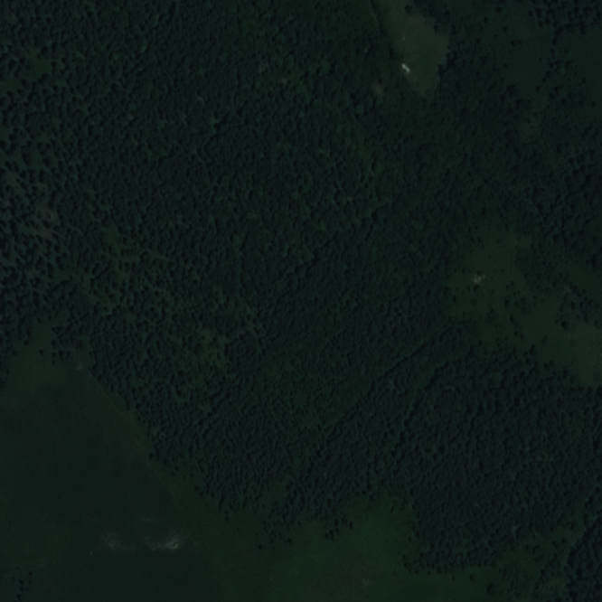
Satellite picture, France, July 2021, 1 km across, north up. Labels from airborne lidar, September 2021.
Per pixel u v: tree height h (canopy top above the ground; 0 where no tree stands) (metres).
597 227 7
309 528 0
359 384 18
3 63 24
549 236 23
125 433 0
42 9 26
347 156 29
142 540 0
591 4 12
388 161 22
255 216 24
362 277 8
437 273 13
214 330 13
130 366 15
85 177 25
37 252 29
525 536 22
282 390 10
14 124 21
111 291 12
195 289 12
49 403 0
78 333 16
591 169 12
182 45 28
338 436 18
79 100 26
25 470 0
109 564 0
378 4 17
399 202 25
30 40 23
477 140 9
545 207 23
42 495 0
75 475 0
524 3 14
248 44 27
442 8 7
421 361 24
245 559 0
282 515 7
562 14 18
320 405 13
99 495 0
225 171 24
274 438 16
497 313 10
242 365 25
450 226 20
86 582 0
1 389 12
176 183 24
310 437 15
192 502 0
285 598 0
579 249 23
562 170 6
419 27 0
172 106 26
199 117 31
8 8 23
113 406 0
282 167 22
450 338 32
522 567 6
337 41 13
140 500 0
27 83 24
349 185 24
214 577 0
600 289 0
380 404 19
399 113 9
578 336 0
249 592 0
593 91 0
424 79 0
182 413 24
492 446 26
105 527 0
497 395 26
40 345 0
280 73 25
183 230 22
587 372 0
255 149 25
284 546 0
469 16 6
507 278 0
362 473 25
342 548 0
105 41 23
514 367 16
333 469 22
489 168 22
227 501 17
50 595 0
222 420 22
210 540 0
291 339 12
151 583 0
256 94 22
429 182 18
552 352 0
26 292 26
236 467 13
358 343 15
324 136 25
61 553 0
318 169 25
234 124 26
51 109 24
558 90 15
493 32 0
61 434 0
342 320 15
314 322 21
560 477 32
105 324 20
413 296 23
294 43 34
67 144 14
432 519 23
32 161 25
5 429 0
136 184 27
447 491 21
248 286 23
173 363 15
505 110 12
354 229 17
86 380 0
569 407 25
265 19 30
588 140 6
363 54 23
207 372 7
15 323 26
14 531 0
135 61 27
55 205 19
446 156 7
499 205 10
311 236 20
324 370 11
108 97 17
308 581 0
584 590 23
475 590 0
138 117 16
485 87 8
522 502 14
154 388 7
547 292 8
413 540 18
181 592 0
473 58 14
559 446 23
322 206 23
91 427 0
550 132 10
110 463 0
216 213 20
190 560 0
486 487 27
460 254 8
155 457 19
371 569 0
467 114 14
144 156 30
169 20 12
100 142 22
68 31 22
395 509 15
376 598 0
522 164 9
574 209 18
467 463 19
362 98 27
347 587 0
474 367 27
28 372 0
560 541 7
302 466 6
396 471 10
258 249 21
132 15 21
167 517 0
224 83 24
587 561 23
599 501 11
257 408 19
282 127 23
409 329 24
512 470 21
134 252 12
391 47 7
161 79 20
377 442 18
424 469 21
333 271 27
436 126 18
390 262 17
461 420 24
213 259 24
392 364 18
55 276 23
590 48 0
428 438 15
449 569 20
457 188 24
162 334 17
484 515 28
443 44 0
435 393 29
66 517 0
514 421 30
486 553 19
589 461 15
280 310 21
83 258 14
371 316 23
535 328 0
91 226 23
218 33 26
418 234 18
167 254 7
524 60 0
